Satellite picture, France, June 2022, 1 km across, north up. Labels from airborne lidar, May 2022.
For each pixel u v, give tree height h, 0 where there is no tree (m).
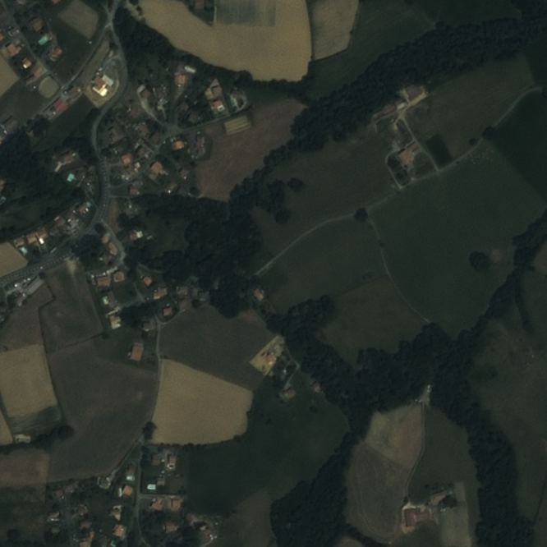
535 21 25
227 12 0
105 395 0
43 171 18
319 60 7
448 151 0
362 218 15
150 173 0
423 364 27
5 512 0
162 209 17
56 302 0
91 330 0
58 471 0
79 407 0
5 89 0
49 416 0
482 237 0
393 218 0
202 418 0
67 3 0
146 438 6
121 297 0
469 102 0
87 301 0
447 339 29
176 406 0
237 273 22
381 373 28
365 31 0
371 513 0
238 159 0
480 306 0
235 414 0
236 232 26
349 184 0
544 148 0
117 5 0
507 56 22
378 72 23
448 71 22
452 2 0
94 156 24
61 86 0
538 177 0
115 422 0
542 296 0
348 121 21
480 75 0
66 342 0
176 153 10
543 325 0
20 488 0
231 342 0
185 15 0
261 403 0
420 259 0
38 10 13
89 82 0
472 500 0
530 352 0
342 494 21
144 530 7
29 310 0
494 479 22
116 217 0
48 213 8
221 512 0
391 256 0
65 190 9
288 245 0
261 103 0
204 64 15
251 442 0
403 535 0
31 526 0
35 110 0
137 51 11
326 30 0
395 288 0
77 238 0
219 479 0
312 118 20
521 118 0
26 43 0
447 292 0
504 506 22
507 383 0
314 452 0
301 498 14
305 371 15
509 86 0
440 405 22
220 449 0
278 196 23
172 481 0
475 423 24
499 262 0
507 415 0
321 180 0
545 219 16
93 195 7
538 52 0
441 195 0
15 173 20
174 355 0
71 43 0
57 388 0
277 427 0
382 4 0
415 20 0
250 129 0
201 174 0
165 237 0
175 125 0
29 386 0
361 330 0
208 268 26
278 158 30
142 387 0
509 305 14
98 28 0
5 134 0
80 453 0
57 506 7
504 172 0
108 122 18
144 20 0
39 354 0
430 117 0
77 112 0
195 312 0
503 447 20
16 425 0
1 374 0
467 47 30
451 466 0
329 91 0
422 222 0
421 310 0
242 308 16
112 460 0
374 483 0
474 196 0
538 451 0
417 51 29
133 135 0
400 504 0
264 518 0
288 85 18
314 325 21
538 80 0
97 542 8
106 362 0
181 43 0
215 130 0
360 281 0
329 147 0
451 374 22
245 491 0
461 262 0
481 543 10
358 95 15
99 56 0
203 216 20
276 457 0
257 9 0
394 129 0
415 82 18
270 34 0
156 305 13
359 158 0
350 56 0
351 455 24
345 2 0
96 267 0
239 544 0
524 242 22
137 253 20
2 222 0
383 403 26
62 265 0
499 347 0
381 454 0
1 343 0
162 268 20
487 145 0
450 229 0
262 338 0
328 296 11
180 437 0
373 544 17
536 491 0
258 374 0
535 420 0
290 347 19
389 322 0
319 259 0
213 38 0
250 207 21
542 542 0
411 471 0
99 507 0
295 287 0
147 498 0
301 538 24
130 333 0
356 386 26
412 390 27
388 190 0
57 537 8
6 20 0
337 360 19
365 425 21
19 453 0
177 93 0
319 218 0
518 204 0
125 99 0
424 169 0
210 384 0
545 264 0
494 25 20
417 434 0
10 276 0
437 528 0
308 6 0
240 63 0
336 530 7
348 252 0
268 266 0
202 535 0
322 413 0
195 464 0
